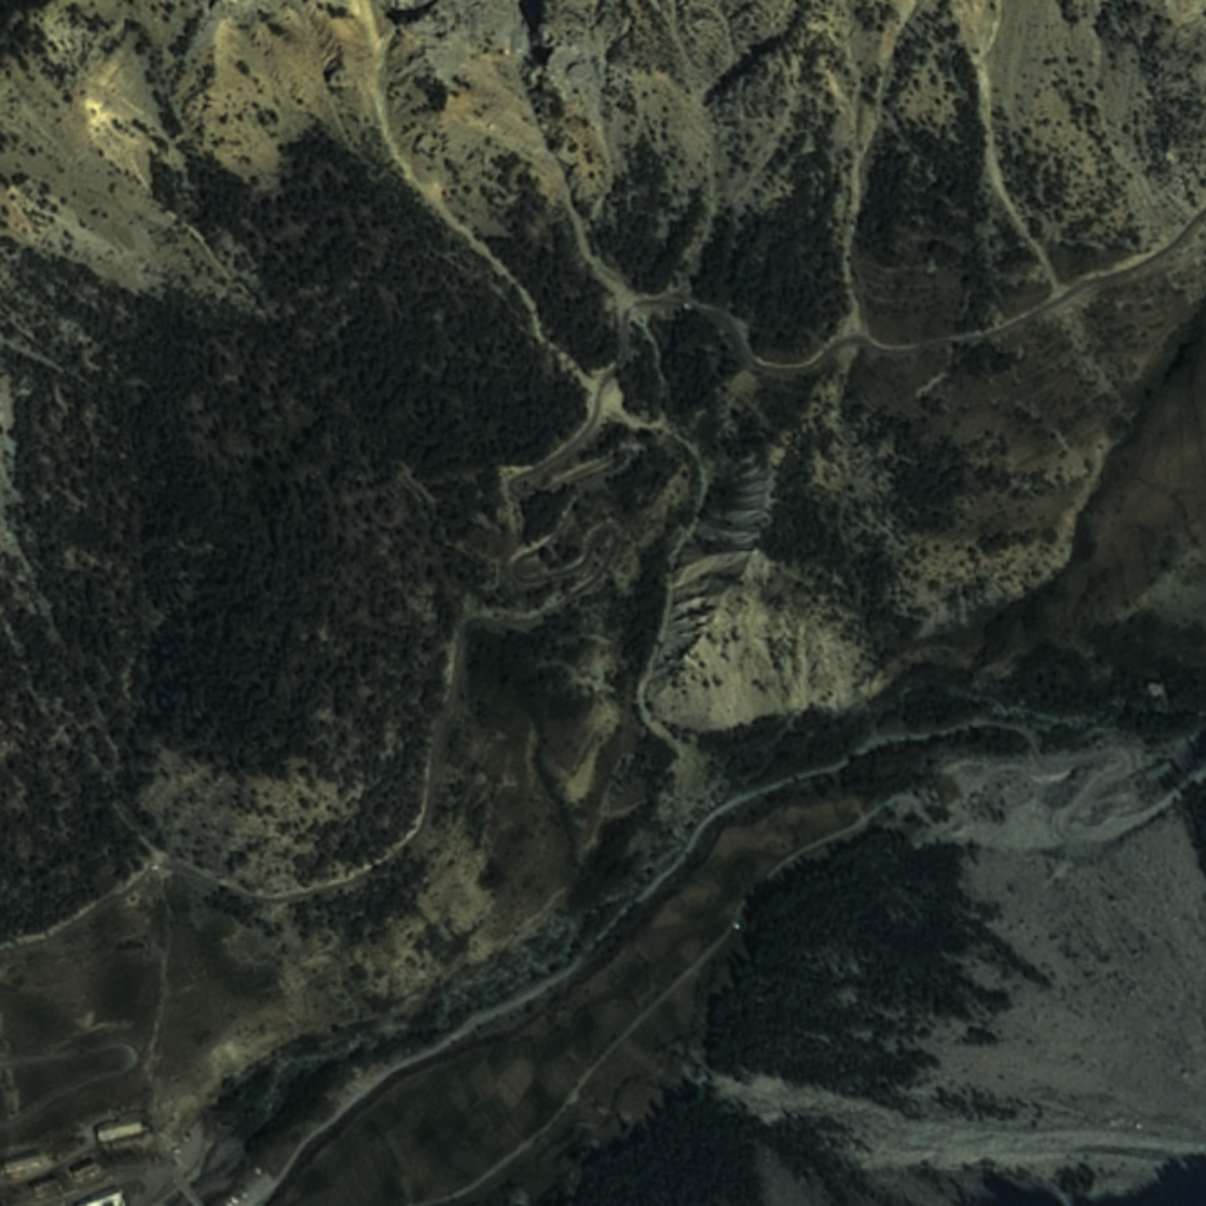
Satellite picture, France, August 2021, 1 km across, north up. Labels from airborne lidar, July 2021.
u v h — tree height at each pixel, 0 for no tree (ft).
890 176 34
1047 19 0
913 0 0
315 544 35
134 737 30
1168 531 0
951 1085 0
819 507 33
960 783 0
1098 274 0
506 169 20
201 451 24
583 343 43
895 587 21
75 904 33
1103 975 0
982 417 0
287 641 32
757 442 27
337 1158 0
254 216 40
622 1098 0
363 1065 20
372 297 30
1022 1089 0
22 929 29
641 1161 32
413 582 34
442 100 29
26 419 22
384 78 0
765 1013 28
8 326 26
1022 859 0
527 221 44
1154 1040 0
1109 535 0
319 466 61
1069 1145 0
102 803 56
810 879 64
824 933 20
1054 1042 0
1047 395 0
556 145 31
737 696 0
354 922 20
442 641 22
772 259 32
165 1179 0
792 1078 24
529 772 0
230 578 40
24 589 36
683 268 21
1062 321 0
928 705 24
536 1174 0
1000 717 21
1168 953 0
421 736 41
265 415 18
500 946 0
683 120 0
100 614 51
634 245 35
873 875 18
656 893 0
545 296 39
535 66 24
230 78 0
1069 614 0
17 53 33
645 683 0
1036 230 24
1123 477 0
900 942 25
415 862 25
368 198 47
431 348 44
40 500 49
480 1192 0
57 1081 0
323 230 56
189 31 28
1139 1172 0
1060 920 0
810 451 32
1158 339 0
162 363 19
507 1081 0
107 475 29
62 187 0
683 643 0
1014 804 0
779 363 0
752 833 0
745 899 0
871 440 26
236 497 53
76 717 22
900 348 0
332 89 32
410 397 55
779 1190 0
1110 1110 0
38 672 33
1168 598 0
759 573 0
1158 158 21
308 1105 27
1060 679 24
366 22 0
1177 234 0
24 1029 0
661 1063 0
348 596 47
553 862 0
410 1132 0
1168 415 0
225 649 53
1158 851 0
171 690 22
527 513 42
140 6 0
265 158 0
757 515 0
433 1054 0
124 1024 0
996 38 0
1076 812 0
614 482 29
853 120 0
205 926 0
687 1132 42
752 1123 23
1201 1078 0
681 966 0
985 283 23
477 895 0
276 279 47
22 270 21
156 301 25
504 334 43
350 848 47
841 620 22
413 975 0
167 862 0
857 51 0
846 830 0
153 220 0
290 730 31
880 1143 0
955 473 37
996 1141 0
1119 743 0
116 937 0
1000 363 20
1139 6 23
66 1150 0
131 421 39
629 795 0
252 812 26
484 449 27
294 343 42
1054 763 0
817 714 23
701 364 43
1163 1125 0
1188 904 0
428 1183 0
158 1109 0
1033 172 27
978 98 28
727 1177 29
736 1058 31
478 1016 0
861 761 33
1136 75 0
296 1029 0
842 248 23
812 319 39
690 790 0
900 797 0
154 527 26
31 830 28
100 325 45
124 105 0
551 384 24
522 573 0
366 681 37
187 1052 0
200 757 36
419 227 26
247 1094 27
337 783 27
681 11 23
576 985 0
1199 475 0
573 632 34
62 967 0
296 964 0
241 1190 0
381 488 50
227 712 31
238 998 0
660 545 29
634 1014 0
